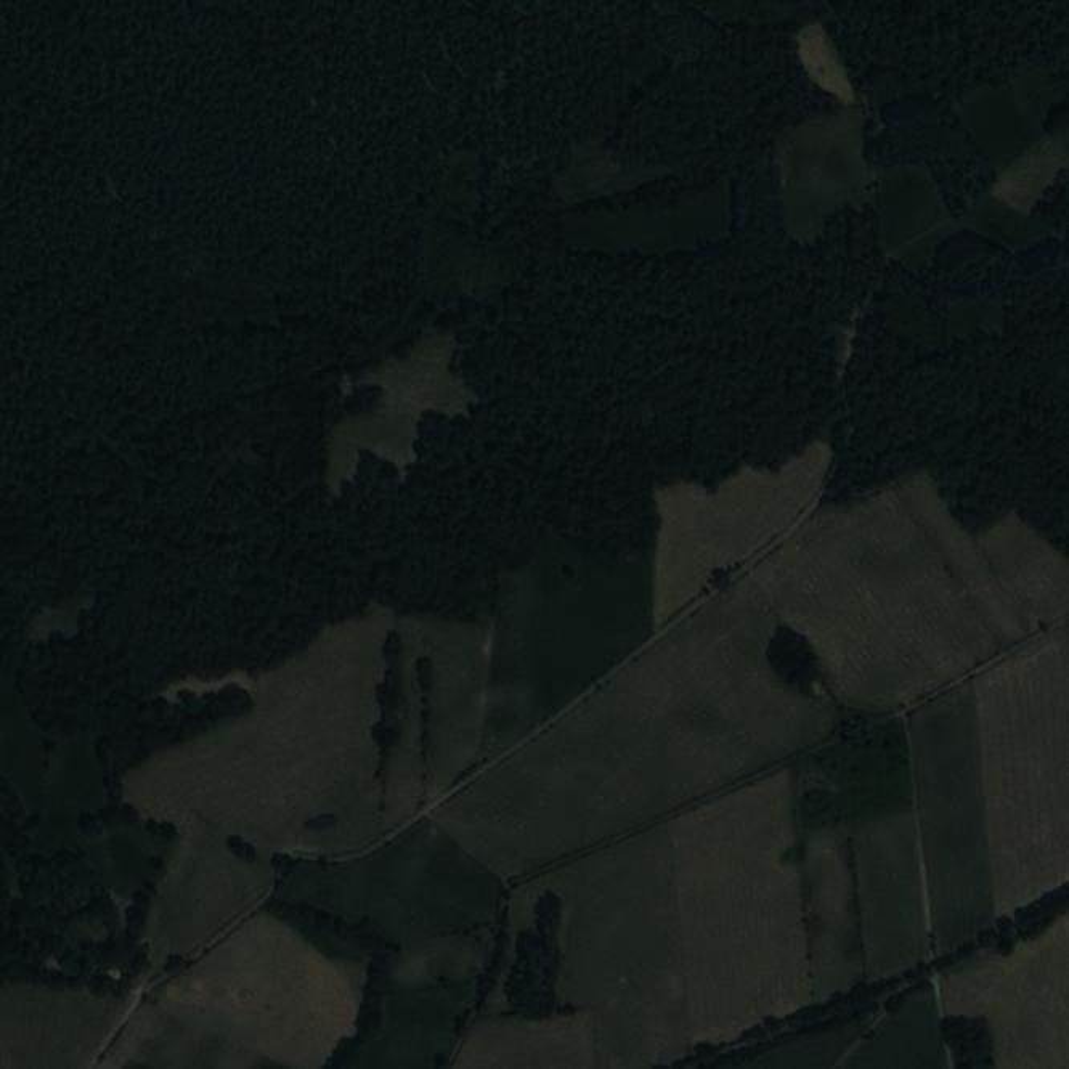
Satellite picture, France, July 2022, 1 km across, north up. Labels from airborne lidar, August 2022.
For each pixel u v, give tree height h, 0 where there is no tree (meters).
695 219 0
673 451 23
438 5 13
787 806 0
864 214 6
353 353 16
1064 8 24
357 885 0
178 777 0
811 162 0
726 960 0
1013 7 20
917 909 0
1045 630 12
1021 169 0
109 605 27
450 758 0
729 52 16
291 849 0
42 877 17
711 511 0
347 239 22
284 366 19
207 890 0
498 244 9
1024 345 17
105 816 16
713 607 0
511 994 20
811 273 14
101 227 24
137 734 8
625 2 30
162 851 0
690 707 0
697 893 0
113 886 0
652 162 21
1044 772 0
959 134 29
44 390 22
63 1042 0
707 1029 0
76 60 17
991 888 0
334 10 20
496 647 0
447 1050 0
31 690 22
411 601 16
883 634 0
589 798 0
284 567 16
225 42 9
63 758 0
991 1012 0
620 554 8
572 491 19
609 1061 0
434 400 0
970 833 0
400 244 23
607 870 0
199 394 18
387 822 0
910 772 0
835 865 0
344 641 0
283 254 21
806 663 17
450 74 20
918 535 0
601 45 21
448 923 0
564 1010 9
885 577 0
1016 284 25
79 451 17
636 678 0
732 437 21
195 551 24
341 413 8
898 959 0
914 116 28
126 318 17
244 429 22
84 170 24
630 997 0
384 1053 0
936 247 0
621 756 0
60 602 8
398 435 0
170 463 23
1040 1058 0
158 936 0
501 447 19
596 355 17
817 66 0
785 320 14
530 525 22
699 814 0
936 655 0
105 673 17
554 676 0
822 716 0
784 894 0
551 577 0
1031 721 0
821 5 13
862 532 0
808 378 11
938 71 20
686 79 18
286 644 16
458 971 0
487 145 23
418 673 6
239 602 20
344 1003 0
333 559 14
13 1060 0
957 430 20
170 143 26
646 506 23
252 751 0
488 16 22
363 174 24
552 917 27
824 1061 0
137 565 27
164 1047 0
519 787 0
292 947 0
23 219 24
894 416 21
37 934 12
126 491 21
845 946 0
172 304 23
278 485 6
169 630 22
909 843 0
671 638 0
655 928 0
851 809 0
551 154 20
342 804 0
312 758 0
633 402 24
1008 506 8
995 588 0
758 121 20
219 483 23
